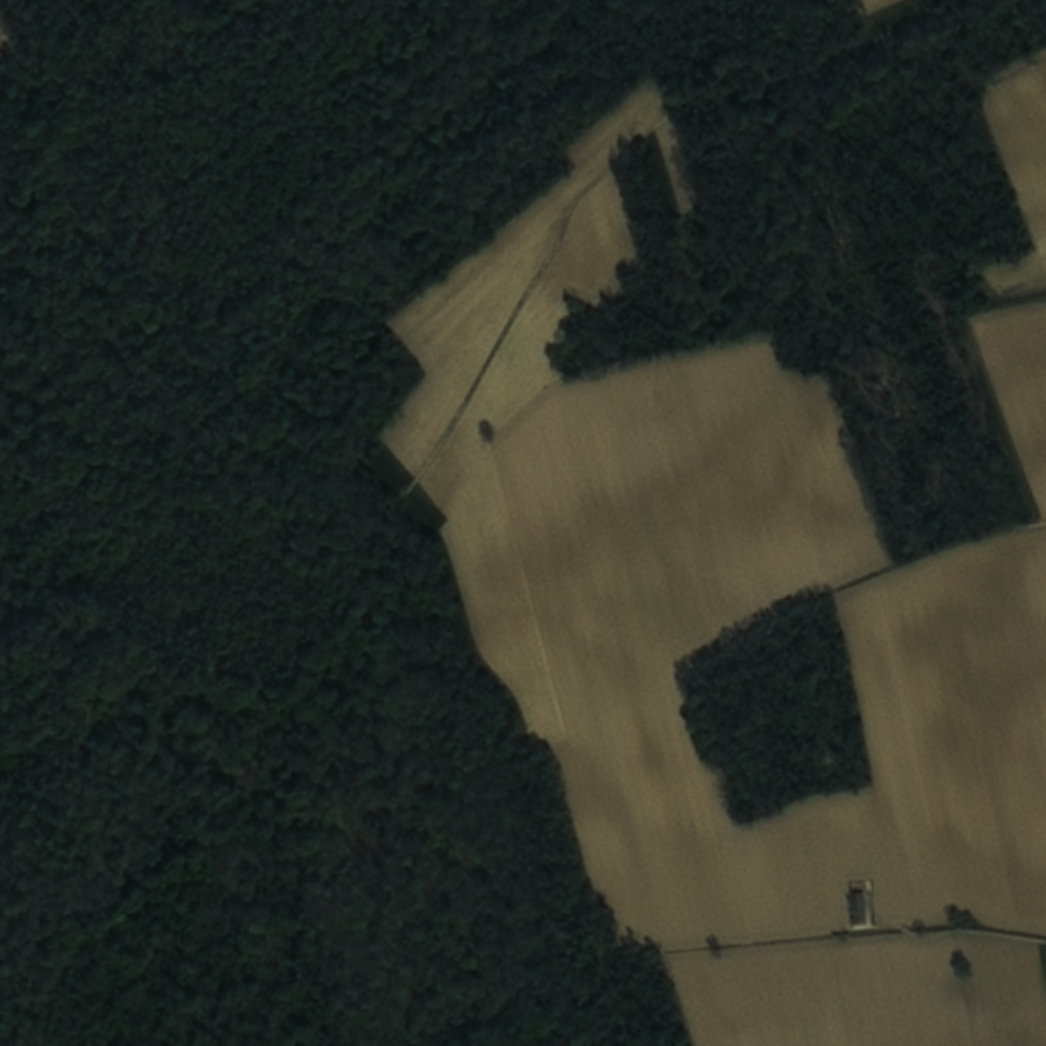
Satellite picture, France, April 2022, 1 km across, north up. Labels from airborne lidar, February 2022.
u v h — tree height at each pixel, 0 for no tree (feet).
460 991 103
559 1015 105
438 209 103
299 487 77
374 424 93
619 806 0
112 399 104
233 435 77
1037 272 0
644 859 0
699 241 64
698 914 0
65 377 112
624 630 0
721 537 0
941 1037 0
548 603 0
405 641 89
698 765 0
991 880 0
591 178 0
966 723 0
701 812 0
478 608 0
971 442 91
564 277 0
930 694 0
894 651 0
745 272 55
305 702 95
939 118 97
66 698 97
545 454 0
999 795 0
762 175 85
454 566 0
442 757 107
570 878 73
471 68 91
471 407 0
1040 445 0
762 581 0
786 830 0
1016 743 0
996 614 0
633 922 0
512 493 0
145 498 107
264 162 88
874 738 0
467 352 0
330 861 115
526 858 98
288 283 112
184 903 86
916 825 0
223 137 87
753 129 89
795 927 0
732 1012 0
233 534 59
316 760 115
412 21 105
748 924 0
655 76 76
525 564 0
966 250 84
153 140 80
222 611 58
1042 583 0
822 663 90
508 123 98
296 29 92
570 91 99
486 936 117
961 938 0
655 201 69
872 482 90
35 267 77
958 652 0
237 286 81
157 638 77
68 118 102
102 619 90
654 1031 102
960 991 0
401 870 116
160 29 88
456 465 0
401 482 0
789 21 85
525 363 0
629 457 0
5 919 82
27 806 69
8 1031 95
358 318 82
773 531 0
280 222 83
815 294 104
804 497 0
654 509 0
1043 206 0
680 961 0
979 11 89
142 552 24
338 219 117
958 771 0
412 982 103
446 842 79
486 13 98
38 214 113
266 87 75
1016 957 0
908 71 90
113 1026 56
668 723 0
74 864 79
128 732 68
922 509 90
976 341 0
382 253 114
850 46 72
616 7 79
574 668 0
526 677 0
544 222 0
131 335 102
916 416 96
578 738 0
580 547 0
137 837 78
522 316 0
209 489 93
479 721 103
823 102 92
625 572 0
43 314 87
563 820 81
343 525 98
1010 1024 0
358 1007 106
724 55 98
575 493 0
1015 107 0
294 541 72
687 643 0
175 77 73
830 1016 0
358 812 111
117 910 83
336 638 102
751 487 0
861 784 45
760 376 0
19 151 96
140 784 94
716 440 0
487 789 115
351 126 80
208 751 25
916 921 0
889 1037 0
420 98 97
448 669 56
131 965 66
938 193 30
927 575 0
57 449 106
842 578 0
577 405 0
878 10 0
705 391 0
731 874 0
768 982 0
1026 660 0
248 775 105
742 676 97
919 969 0
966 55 98
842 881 0
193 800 61
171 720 34
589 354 92
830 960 0
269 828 85
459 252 32
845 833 0
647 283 83
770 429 0
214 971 94
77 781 84
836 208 100
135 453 108
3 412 107
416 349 0
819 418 0
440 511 0
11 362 115
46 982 77
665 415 0
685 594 0
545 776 102
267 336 107
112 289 104
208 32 88
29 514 71
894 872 0
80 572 28
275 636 61
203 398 94
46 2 45
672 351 76
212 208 80
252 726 97
